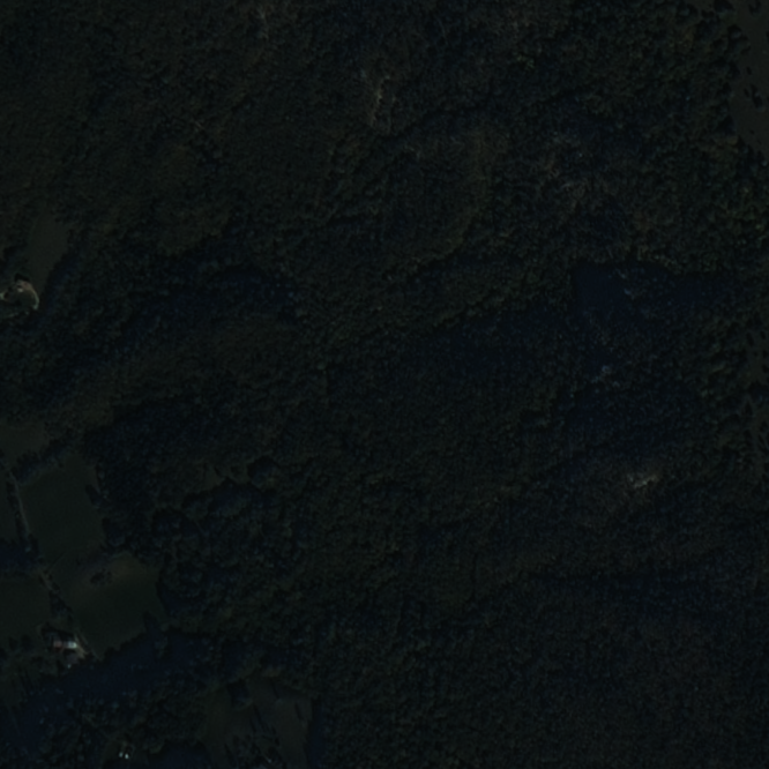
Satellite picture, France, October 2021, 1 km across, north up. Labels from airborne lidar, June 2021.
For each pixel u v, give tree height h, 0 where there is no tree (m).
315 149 21
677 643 15
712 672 17
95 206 23
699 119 21
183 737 16
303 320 17
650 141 13
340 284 24
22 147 23
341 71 20
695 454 22
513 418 21
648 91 26
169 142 20
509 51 14
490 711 27
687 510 15
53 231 0
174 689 35
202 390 30
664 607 17
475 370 25
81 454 14
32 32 25
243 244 29
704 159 15
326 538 30
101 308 20
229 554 33
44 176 25
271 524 22
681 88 21
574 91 21
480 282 22
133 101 23
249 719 0
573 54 21
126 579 0
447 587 29
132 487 18
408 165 19
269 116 22
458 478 19
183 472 20
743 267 20
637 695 11
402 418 23
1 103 27
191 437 26
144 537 15
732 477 13
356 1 13
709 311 17
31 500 0
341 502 29
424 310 22
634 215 28
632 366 16
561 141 12
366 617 26
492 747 21
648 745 15
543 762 14
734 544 19
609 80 21
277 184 21
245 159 20
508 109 12
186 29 16
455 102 22
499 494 22
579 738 15
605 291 16
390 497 25
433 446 25
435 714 27
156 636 20
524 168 13
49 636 9
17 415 15
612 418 11
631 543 13
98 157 22
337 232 22
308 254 26
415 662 21
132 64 19
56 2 20
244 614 32
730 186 24
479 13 11
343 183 18
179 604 29
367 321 22
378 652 27
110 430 14
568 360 20
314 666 21
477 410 24
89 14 15
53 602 10
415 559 21
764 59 0
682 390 16
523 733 18
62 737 24
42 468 16
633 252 19
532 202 11
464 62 17
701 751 16
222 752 0
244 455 19
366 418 27
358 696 29
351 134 18
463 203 21
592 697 11
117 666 0
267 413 19
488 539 19
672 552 13
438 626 22
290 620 32
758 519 25
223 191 24
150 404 22
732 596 15
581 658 22
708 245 22
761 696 25
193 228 30
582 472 8
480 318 16
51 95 15
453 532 25
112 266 25
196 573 27
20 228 21
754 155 11
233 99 13
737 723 18
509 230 22
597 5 20
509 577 23
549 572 23
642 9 18
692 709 14
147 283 25
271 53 13
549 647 21
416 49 13
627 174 16
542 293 13
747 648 21
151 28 18
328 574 39
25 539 15
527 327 25
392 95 12
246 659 30
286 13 11
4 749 30
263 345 22
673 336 16
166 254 26
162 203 25
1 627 0
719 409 19
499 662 19
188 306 32
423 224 16
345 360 26
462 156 10
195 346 25
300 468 34
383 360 17
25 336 16
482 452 23
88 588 0
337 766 25
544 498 20
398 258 19
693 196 13
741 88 0
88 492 0
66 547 0
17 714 0
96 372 26
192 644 22
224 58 20
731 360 14
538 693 17
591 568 22
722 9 17
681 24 21
